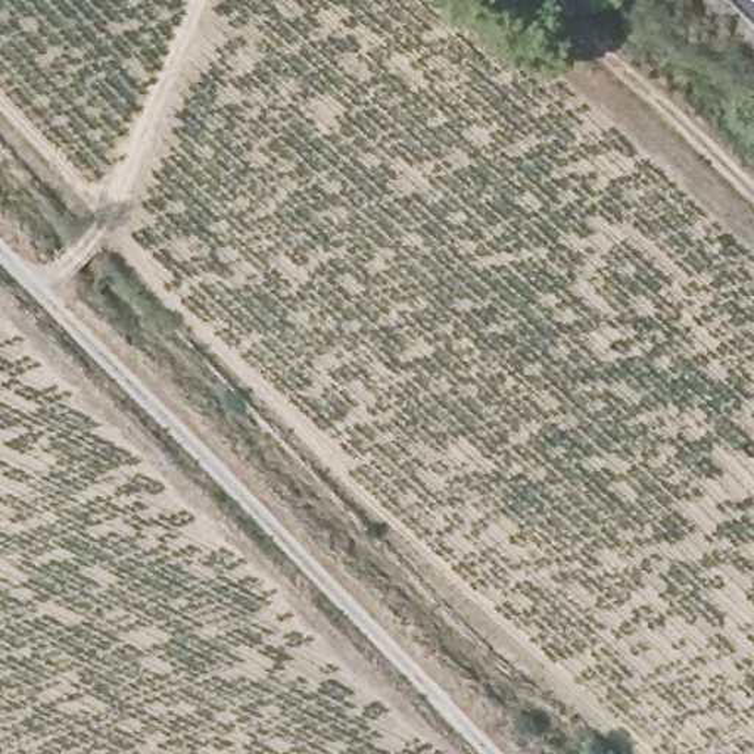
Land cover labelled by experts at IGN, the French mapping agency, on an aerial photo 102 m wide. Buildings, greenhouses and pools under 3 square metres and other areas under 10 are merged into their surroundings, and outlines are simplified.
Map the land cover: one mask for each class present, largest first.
<instances>
[{"label":"vineyard","instance_id":"1","mask_svg":"<svg viewBox=\"0 0 754 754\"><path fill-rule=\"evenodd\" d=\"M186 15V0H0V130L6 133V138L18 144L21 156L29 165H35V171L53 189L62 191L71 209H91L112 203L109 183L103 177L127 159L124 153H115V144L130 135L133 118L141 112L147 91L159 80L162 59L174 38V29L183 24ZM186 59L191 65H183L177 80L183 109L156 124L153 144L144 153L130 197L124 200L130 206V215L121 227L133 236V242L147 247L150 256L171 271V280H165V286L177 292V297L189 303L194 315H200L203 321H224V330H218V336L230 348H236L247 333L262 336V342L253 345L242 359L250 368H256L277 392H283L289 404L297 412H303L318 430H327L330 439H336V445L353 459L356 468L339 471L336 480L409 551H415L421 563L433 566L462 598H468L486 613V619L498 627L492 639L498 654L512 660L521 674L545 680L548 689H554L566 704L586 716L589 725L601 730H621L630 739L633 754H754V203L745 194H739L733 183L713 168V162L704 153H698L672 124H666L648 100L630 91L601 59L571 65L568 41L560 44L557 53H548L545 35L533 24L512 18L510 12H492L477 0H221L200 15L197 35L186 47ZM0 754H477L468 745V739L433 707V701L412 686V680L404 672H398L389 663V657L295 566V560L286 557V551L239 507V501H233L209 477V471H203L200 462L189 451H183V445L174 442V436L165 427H159L118 386V380L109 377L85 353V348H80L74 336L0 265Z\"/></svg>","mask_w":754,"mask_h":754},{"label":"herbaceous vegetation","instance_id":"2","mask_svg":"<svg viewBox=\"0 0 754 754\"><path fill-rule=\"evenodd\" d=\"M666 9L672 21H680L683 27L695 24L698 53L713 59L725 71L745 74V82L754 88V47L742 38L739 21L733 15H716L713 9H707L704 0H648ZM91 227V209H71L62 191L53 189L35 171V165H29L21 156L18 144L6 138V133L0 130V239L12 244V250L21 259L50 265L68 244H74ZM115 250L91 253L74 277L53 283V292L65 297L68 309L118 359H124V365L135 377H141V383L174 415H180V421L265 504L268 512L280 518L286 530H292L303 545H309L312 557L342 583V589H348L359 601V607L386 633H392V639L415 663H421V669L451 695V701L483 733L492 736V742L504 754H554L551 745L539 739V733L551 722L563 727L568 739L589 725L586 716L566 704L554 689H548L545 680L521 674L512 660L498 654L492 639L498 627L486 619V613L468 598H462L433 566L421 563L415 551H409L336 480L339 471L356 468L353 459L336 445V439H330L327 430H318L303 412H297L289 404L283 392H277L256 368H250L242 359L253 345L262 342V336L247 333L236 348H230L218 336V330H224V321H203L200 315H194L189 303L177 297V292L165 286V280H171V271L150 256L147 247L133 242V236L121 227H115ZM592 754H633L630 739L621 730H601L592 742Z\"/></svg>","mask_w":754,"mask_h":754},{"label":"pervious surface","instance_id":"3","mask_svg":"<svg viewBox=\"0 0 754 754\"><path fill-rule=\"evenodd\" d=\"M221 0H186V15L183 24L174 29V38L162 59L159 80L147 91L141 112L133 118L130 135L115 144V153H124L127 159L103 177L109 183L112 203L91 209V227L74 244H68L50 265L21 259L12 250V244L0 239V265L74 336L80 348H85V353L109 377L118 380V386L159 427H165L174 436V442L183 445V451H189L200 462L203 471H209V477L233 501H239V507L286 551V557L295 560V566L389 657V663L398 672H404L412 680V686L433 701V707L468 739V745L477 754H504L492 742V736L483 733L451 701V695L421 669V663H415L392 639V633H386L359 607V601L348 589H342V583L312 557L309 545H303L292 530H286L280 518L268 512L265 504L180 421V415H174L141 383V377H135L124 365V359H118L68 309L65 297L53 292V283L74 277L91 253L115 250V227H121L130 215V206L124 200L130 197L144 153L153 144L156 124L183 109L177 80L183 65H191L186 59V47L197 35L200 15ZM630 91L648 100L666 124H672L698 153H704L713 162V168L733 183L739 194H745L754 203V177L707 130L704 118H698L683 103L680 94H666V80H651L639 68H633L627 56L619 50L604 53L601 59Z\"/></svg>","mask_w":754,"mask_h":754},{"label":"deciduous trees","instance_id":"4","mask_svg":"<svg viewBox=\"0 0 754 754\"><path fill-rule=\"evenodd\" d=\"M616 12L624 18L630 29L619 50L627 56L633 68H639L651 80H666V94H680L683 103L698 118H704L707 130L754 177V88L745 82V74L725 71L713 59L698 53L695 24L683 27L680 21H672L666 9L648 0H619ZM601 730L589 725L568 739L563 727L551 722L539 733V739L551 745L554 754H592V742Z\"/></svg>","mask_w":754,"mask_h":754},{"label":"coniferous trees","instance_id":"5","mask_svg":"<svg viewBox=\"0 0 754 754\"><path fill-rule=\"evenodd\" d=\"M492 12H510L512 18L533 24L545 35L548 53H557L560 44L568 41L571 65L601 59L604 53L619 50L630 29L624 18L616 12L619 0H477Z\"/></svg>","mask_w":754,"mask_h":754},{"label":"impervious surface","instance_id":"6","mask_svg":"<svg viewBox=\"0 0 754 754\"><path fill-rule=\"evenodd\" d=\"M707 9H713L716 15H733L739 21L742 38L754 47V0H704Z\"/></svg>","mask_w":754,"mask_h":754}]
</instances>
